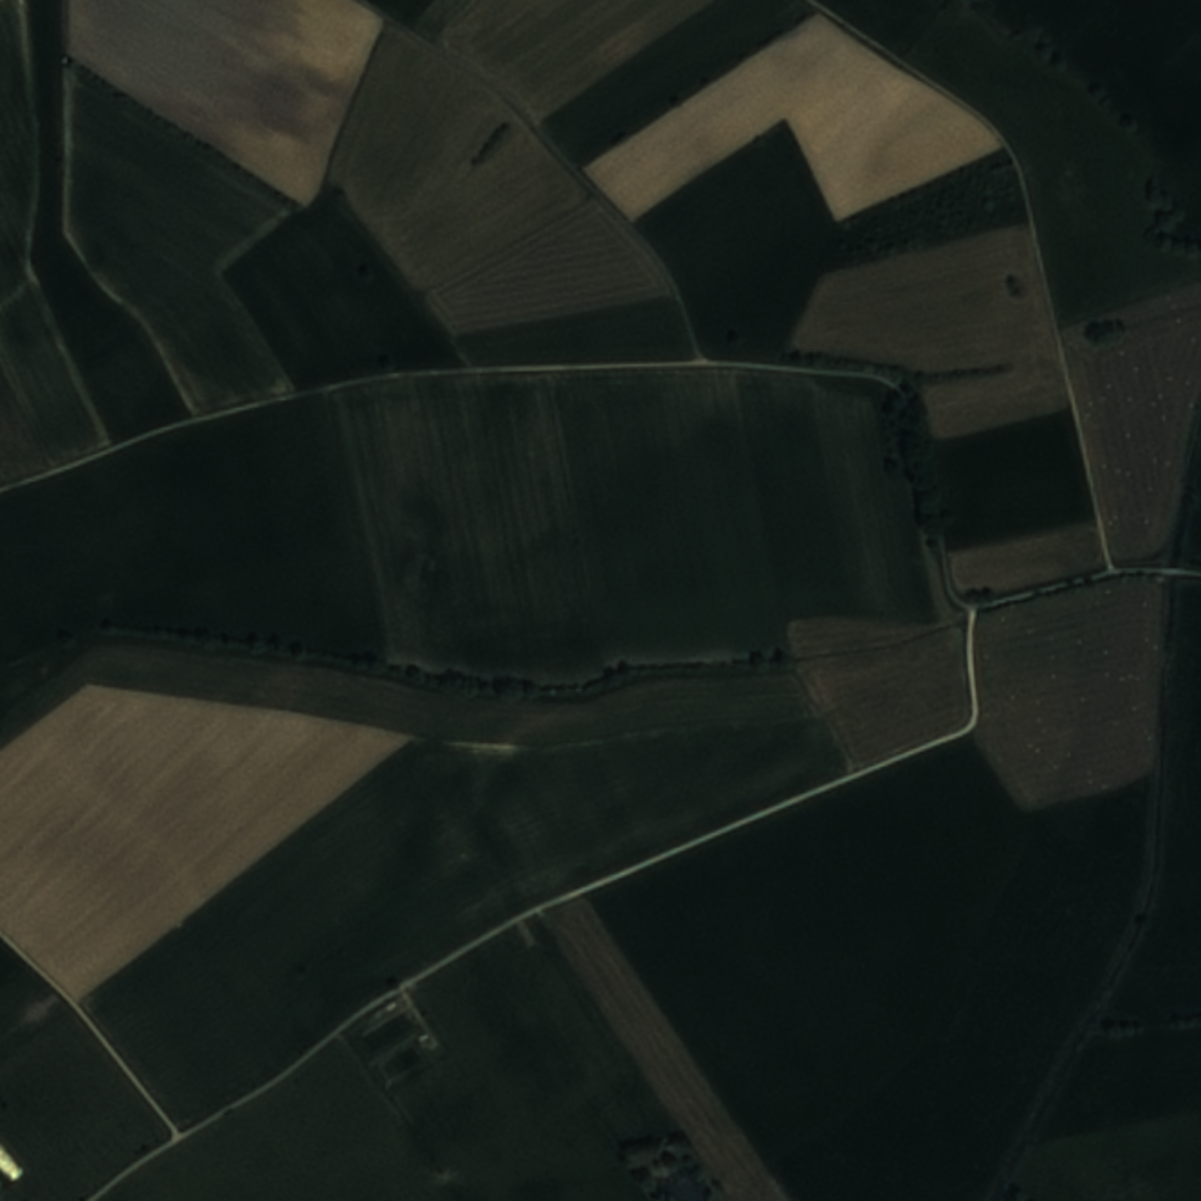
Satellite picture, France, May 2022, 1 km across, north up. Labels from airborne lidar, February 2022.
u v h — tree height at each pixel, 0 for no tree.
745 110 0
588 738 0
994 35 0
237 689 0
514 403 0
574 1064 0
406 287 0
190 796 0
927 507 15
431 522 0
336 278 0
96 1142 0
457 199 0
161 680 0
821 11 0
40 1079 0
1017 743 0
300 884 0
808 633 0
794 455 0
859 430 0
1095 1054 0
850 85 0
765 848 0
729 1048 0
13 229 0
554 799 0
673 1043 0
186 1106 0
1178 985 0
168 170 0
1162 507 0
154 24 0
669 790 0
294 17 0
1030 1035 0
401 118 0
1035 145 0
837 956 0
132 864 0
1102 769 0
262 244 0
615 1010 0
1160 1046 0
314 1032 0
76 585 0
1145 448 0
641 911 0
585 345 0
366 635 0
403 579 0
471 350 0
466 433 0
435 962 0
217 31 0
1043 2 0
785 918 0
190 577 0
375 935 0
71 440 0
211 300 0
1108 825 0
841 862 0
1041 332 0
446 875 0
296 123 0
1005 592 0
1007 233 0
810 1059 0
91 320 0
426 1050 0
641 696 0
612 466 0
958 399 0
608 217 0
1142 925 10
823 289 0
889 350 0
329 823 0
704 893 0
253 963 0
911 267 0
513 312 0
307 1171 0
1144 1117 0
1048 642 0
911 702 0
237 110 0
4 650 0
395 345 0
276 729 0
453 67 0
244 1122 0
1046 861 0
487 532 0
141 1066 0
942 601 0
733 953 0
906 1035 0
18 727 0
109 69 0
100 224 0
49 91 0
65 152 0
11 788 0
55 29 0
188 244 0
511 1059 0
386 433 0
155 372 0
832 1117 0
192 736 0
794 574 0
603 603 0
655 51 0
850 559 0
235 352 0
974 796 0
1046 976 0
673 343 0
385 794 0
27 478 0
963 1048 0
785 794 0
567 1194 0
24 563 0
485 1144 0
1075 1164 0
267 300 0
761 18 0
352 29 0
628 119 0
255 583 0
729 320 0
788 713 0
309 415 0
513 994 0
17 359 0
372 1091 0
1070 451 0
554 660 0
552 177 0
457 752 0
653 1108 0
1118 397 0
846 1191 0
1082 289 0
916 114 0
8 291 0
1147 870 0
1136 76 0
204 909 0
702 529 0
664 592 0
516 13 0
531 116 0
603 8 0
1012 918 0
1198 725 0
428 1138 0
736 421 0
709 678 0
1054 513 0
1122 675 0
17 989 0
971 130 0
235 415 0
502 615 0
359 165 0
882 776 0
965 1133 0
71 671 0
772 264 0
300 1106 0
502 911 0
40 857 0
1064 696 0
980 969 0
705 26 0
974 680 0
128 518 0
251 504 0
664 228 0
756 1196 0
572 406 0
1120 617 0
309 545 0
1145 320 0
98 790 0
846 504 0
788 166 0
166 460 0
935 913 0
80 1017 0
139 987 0
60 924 0
